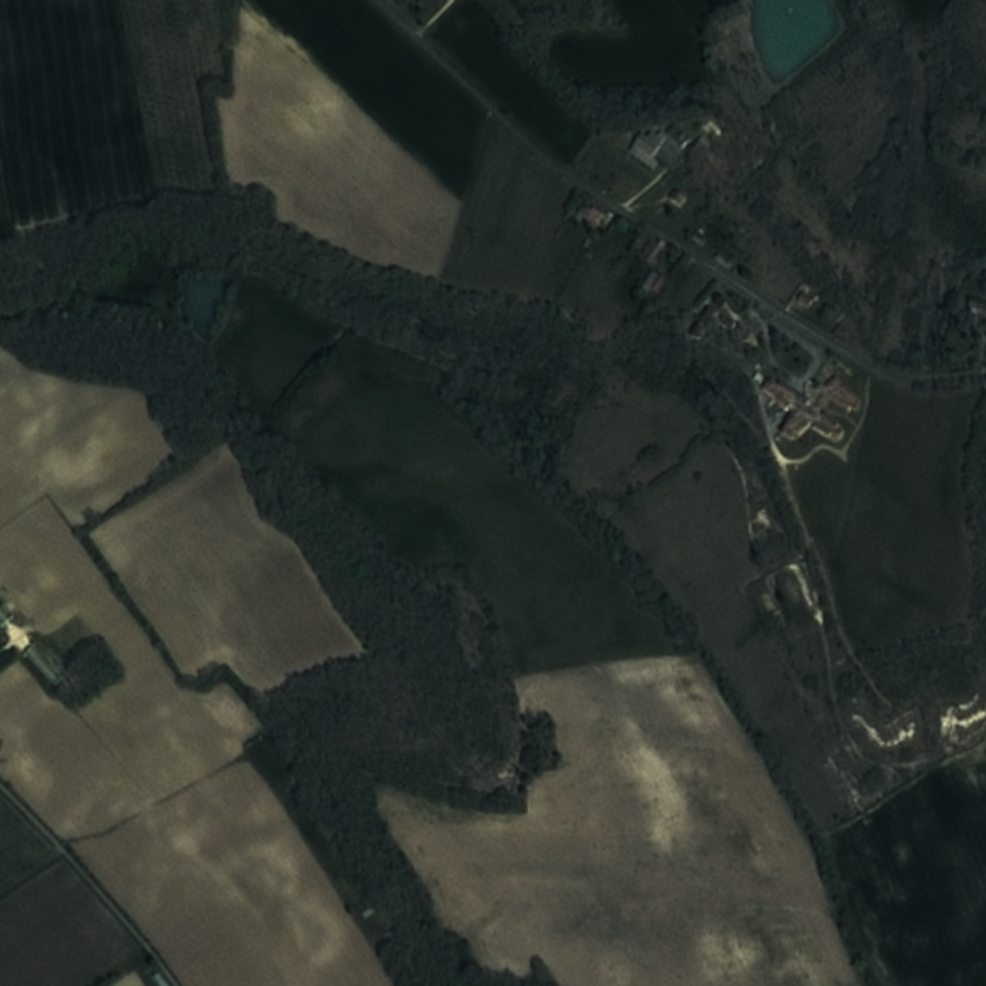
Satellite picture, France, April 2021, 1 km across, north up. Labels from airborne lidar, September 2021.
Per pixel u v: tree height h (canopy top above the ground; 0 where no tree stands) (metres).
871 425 0
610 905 0
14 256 13
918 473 0
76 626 0
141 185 0
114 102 0
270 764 0
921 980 0
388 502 0
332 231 0
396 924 14
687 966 0
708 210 10
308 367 8
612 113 21
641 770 0
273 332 0
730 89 11
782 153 7
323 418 0
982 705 0
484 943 0
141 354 21
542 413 12
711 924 0
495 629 11
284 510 19
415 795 21
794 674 0
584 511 24
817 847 15
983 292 12
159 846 0
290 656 0
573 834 0
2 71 0
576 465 0
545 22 19
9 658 6
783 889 0
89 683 21
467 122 0
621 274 14
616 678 0
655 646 0
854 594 0
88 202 0
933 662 9
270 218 16
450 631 12
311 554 16
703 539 0
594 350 13
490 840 0
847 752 0
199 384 21
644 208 0
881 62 14
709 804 0
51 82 0
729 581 0
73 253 17
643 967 0
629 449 0
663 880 0
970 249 7
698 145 8
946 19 9
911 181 9
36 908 0
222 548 0
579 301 0
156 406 13
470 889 0
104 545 0
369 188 0
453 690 16
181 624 0
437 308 13
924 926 0
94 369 20
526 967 0
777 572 0
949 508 0
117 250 24
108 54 0
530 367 17
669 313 9
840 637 9
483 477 0
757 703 0
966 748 0
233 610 0
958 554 0
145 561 0
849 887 0
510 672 13
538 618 0
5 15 0
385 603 13
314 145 0
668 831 0
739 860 0
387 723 13
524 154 0
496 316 16
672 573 0
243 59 0
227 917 0
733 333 9
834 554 0
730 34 0
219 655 0
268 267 20
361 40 0
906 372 9
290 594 0
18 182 0
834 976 0
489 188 0
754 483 0
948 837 0
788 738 0
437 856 0
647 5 0
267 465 24
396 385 0
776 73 0
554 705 0
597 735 0
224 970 0
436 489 0
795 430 0
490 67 0
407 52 0
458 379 18
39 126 0
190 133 6
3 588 0
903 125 11
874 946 0
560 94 13
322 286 15
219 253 23
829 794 0
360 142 0
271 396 0
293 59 0
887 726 0
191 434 24
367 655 10
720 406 21
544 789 0
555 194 0
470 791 15
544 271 0
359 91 0
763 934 0
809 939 0
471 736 13
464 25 0
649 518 0
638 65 0
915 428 0
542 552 0
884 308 6
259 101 0
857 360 0
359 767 24
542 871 0
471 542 0
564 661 0
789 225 12
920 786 0
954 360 11
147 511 0
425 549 0
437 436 0
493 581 0
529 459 12
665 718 0
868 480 0
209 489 0
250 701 16
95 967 0
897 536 0
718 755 0
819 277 19
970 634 11
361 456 0
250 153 0
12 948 0
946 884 0
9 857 0
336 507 19
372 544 10
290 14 0
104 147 0
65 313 14
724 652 0
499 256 0
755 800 0
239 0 0
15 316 17
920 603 0
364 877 14
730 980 0
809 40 0
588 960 0
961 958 0
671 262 9
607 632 0
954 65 8
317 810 22
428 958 22
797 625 6
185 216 19
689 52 0
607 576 0
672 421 0
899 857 0
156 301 17
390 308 16
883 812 0
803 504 0
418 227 0
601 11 15
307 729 20
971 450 11
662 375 12
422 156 0
